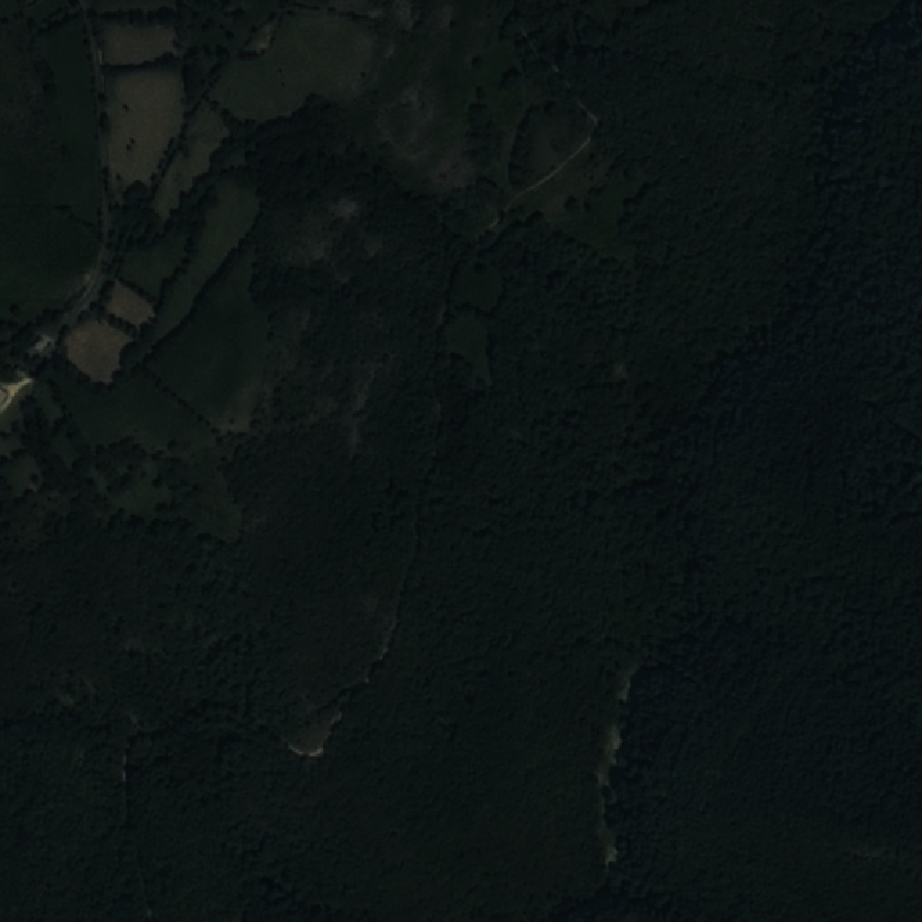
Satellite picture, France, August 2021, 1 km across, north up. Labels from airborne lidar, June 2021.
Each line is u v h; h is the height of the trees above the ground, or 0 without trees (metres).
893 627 21
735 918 20
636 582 25
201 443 0
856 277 25
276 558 16
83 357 0
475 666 24
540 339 23
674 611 26
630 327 17
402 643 16
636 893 17
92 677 22
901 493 37
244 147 13
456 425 14
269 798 14
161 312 15
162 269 0
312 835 17
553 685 27
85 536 25
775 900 26
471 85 0
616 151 16
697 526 34
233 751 26
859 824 14
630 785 29
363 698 19
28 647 23
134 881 25
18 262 0
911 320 17
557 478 26
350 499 17
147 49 0
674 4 20
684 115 14
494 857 21
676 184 20
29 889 25
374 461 10
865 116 30
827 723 10
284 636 22
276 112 0
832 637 19
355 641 16
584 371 22
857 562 17
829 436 19
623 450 22
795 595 22
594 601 24
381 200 19
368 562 25
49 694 21
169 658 22
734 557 25
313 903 22
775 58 28
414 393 20
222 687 25
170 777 20
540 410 28
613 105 13
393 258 12
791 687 12
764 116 17
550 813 17
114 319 11
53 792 19
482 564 22
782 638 29
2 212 0
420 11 10
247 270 0
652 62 27
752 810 12
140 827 25
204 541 17
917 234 21
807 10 28
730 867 24
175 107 0
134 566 15
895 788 11
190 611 28
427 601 12
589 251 16
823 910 19
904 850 10
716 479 22
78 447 14
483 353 0
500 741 26
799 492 21
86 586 21
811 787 10
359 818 19
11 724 23
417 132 0
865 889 10
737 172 13
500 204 21
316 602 17
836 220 34
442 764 26
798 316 33
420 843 27
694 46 20
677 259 15
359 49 0
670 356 13
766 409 18
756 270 25
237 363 0
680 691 18
